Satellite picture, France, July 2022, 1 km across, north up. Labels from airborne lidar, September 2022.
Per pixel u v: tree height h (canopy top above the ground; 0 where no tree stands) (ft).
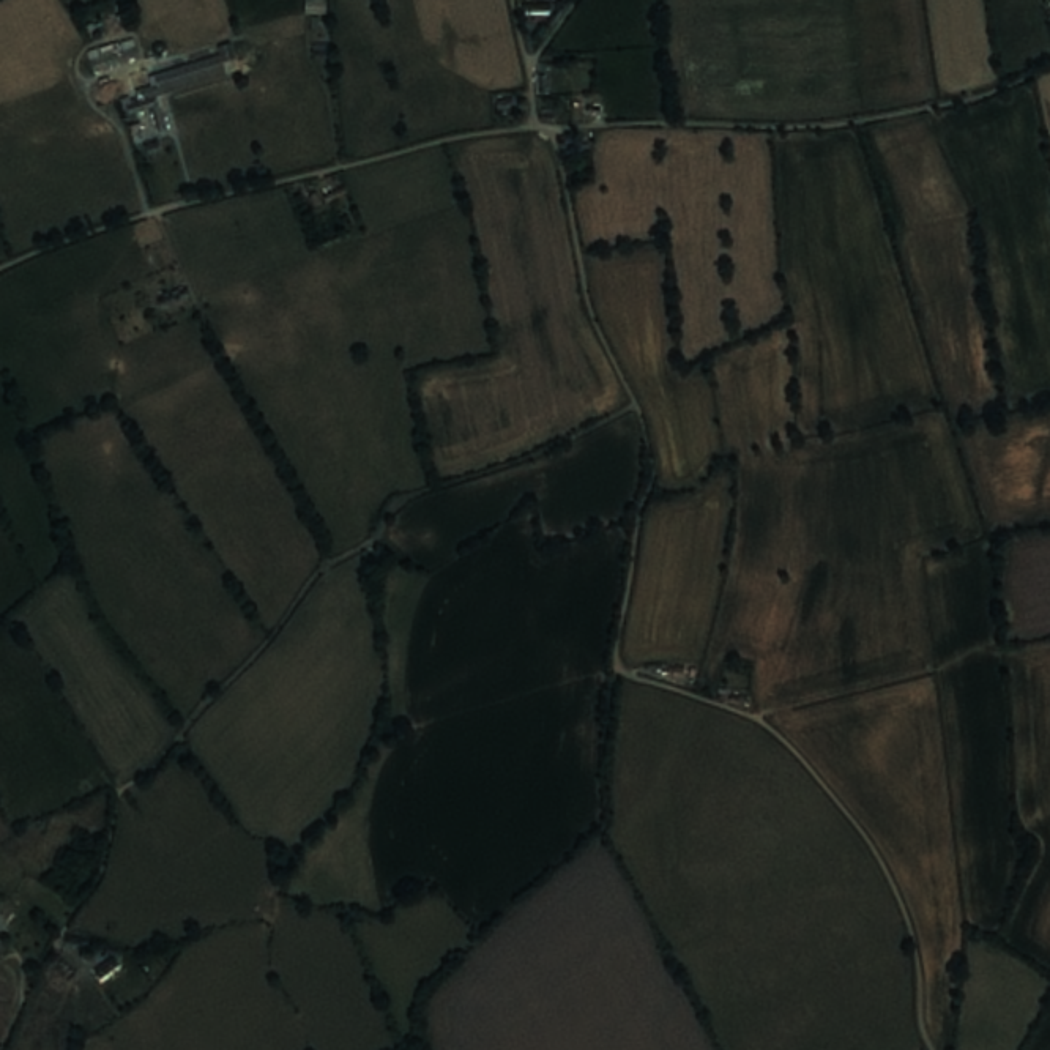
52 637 0
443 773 0
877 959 0
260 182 57
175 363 0
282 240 0
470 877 0
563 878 0
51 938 24
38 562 0
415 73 0
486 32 0
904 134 0
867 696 0
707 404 0
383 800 0
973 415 63
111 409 42
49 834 0
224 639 0
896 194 0
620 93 0
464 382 0
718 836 0
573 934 0
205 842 0
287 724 0
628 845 0
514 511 28
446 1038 0
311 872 0
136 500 0
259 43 0
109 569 0
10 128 0
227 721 0
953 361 0
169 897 0
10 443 0
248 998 0
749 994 0
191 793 0
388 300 0
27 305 0
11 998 0
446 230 0
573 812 0
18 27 0
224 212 0
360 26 0
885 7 0
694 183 0
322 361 0
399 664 0
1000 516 0
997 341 37
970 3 0
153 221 0
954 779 0
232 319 0
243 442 0
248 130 0
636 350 0
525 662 0
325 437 0
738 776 0
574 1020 0
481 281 43
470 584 0
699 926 0
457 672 0
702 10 0
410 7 0
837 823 0
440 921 0
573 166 56
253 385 0
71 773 0
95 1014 0
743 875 0
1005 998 0
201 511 0
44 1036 0
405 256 0
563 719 0
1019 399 0
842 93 0
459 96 0
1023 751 0
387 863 0
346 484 0
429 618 0
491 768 0
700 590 0
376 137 0
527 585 0
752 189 0
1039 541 0
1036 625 0
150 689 20
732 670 18
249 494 0
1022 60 0
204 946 0
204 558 0
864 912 0
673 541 0
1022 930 0
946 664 0
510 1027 0
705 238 0
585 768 0
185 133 0
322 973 0
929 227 0
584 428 29
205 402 0
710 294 0
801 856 0
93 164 0
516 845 0
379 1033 0
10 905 0
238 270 0
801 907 0
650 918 20
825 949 0
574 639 0
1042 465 0
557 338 0
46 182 0
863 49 0
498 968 0
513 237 0
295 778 0
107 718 0
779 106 0
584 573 0
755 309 0
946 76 0
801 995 0
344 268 0
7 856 0
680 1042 0
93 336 0
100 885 22
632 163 0
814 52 0
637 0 0
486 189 0
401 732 65
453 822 0
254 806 0
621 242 41
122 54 0
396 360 30
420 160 0
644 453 30
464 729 0
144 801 0
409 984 0
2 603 0
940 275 0
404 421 0
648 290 0
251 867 0
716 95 0
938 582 0
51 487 21
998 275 0
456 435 0
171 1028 0
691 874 0
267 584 0
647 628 0
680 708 0
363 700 0
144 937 0
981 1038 0
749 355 0
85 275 0
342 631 0
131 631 0
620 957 0
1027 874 39
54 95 0
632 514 47
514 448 0
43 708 0
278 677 0
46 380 0
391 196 0
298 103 0
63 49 0
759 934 0
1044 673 0
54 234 40
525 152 0
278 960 0
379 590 78
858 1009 0
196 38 0
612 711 37
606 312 0
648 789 0
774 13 0
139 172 23
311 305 0
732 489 19
